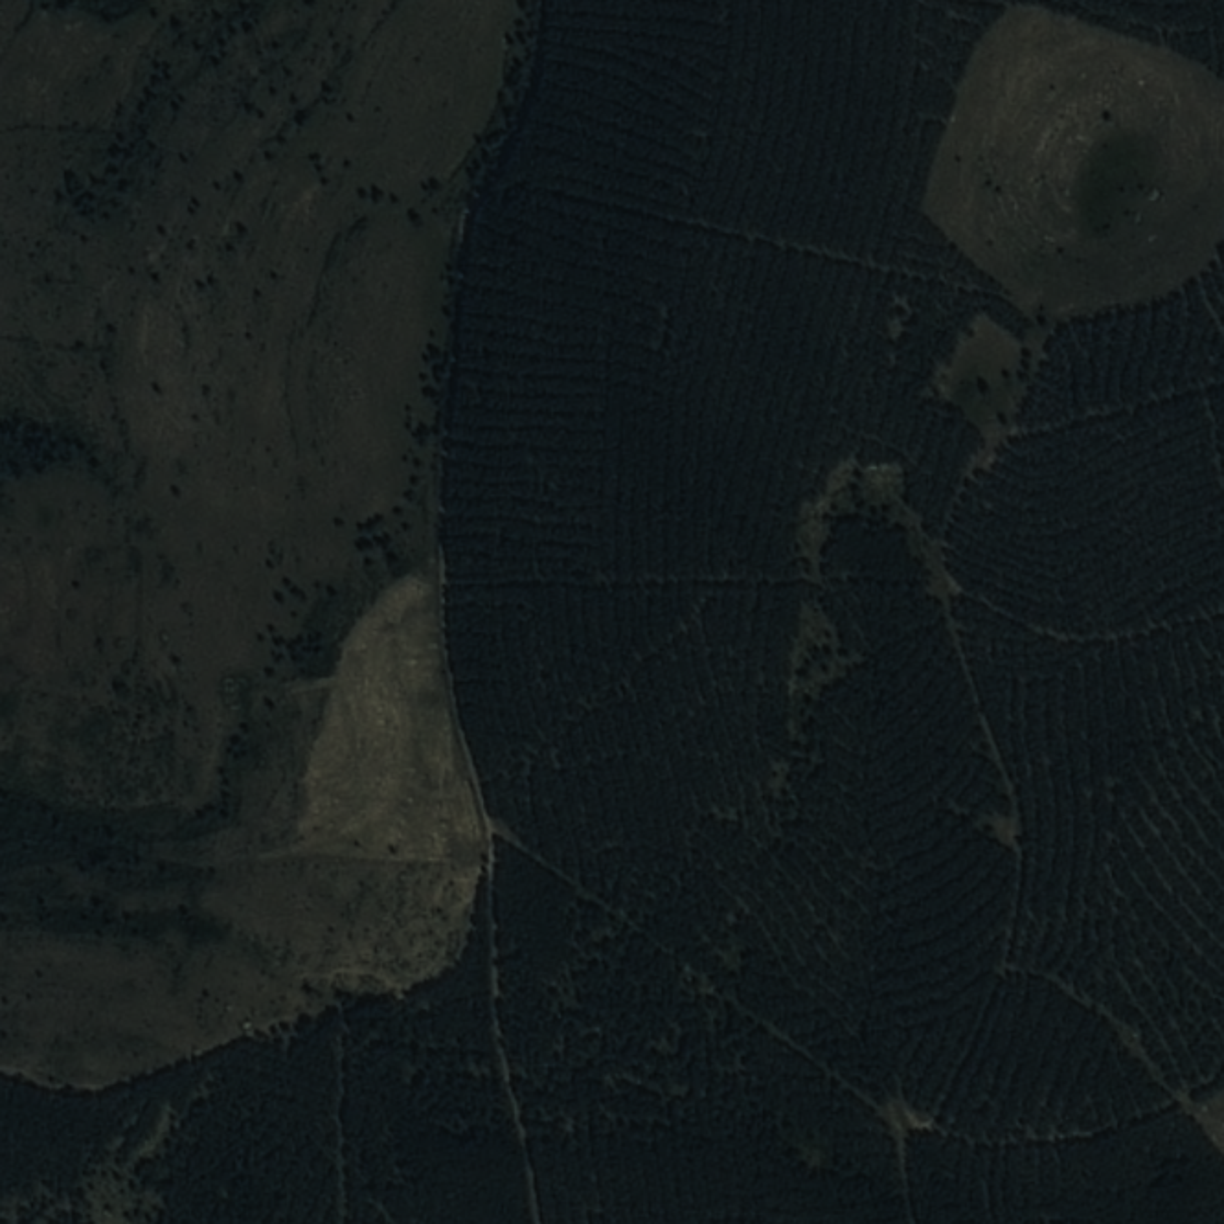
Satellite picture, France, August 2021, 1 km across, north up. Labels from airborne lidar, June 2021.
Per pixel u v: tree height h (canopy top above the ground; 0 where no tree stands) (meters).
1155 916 12
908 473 10
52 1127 12
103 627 0
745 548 14
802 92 11
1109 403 11
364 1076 12
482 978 12
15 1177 11
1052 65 0
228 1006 0
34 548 0
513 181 11
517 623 12
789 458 12
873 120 12
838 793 12
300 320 0
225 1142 11
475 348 13
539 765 11
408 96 0
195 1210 13
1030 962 11
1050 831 10
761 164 14
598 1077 9
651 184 13
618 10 15
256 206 0
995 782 12
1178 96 0
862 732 15
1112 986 11
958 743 13
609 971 14
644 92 14
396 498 0
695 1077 13
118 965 0
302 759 0
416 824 0
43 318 0
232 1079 13
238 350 0
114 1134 9
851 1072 14
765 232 10
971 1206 14
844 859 14
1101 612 13
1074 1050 12
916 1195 14
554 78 13
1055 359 12
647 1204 11
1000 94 0
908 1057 13
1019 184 0
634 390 15
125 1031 0
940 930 13
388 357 0
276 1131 15
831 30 13
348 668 0
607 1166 14
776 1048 13
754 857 9
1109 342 10
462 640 13
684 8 14
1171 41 9
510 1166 14
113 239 0
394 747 0
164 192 0
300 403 0
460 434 14
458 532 13
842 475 0
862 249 11
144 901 0
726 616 11
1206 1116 0
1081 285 0
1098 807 13
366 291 0
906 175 12
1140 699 12
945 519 12
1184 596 12
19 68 0
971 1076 14
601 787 12
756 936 15
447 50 0
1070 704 12
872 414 12
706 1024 13
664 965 12
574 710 12
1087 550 12
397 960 0
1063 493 12
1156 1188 15
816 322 12
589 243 14
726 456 15
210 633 0
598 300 13
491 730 12
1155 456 12
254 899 0
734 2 13
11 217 0
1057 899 13
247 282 0
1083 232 0
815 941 11
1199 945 13
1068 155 0
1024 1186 12
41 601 0
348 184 0
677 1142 15
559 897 13
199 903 0
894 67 12
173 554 0
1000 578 11
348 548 0
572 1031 11
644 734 12
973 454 9
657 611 14
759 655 12
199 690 0
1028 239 0
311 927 0
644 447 14
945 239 9
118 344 0
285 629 0
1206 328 9
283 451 0
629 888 10
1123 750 14
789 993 14
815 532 0
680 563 13
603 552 12
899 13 12
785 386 12
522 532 11
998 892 12
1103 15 9
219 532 0
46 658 0
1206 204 0
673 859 12
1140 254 0
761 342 12
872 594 16
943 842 15
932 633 12
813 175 11
